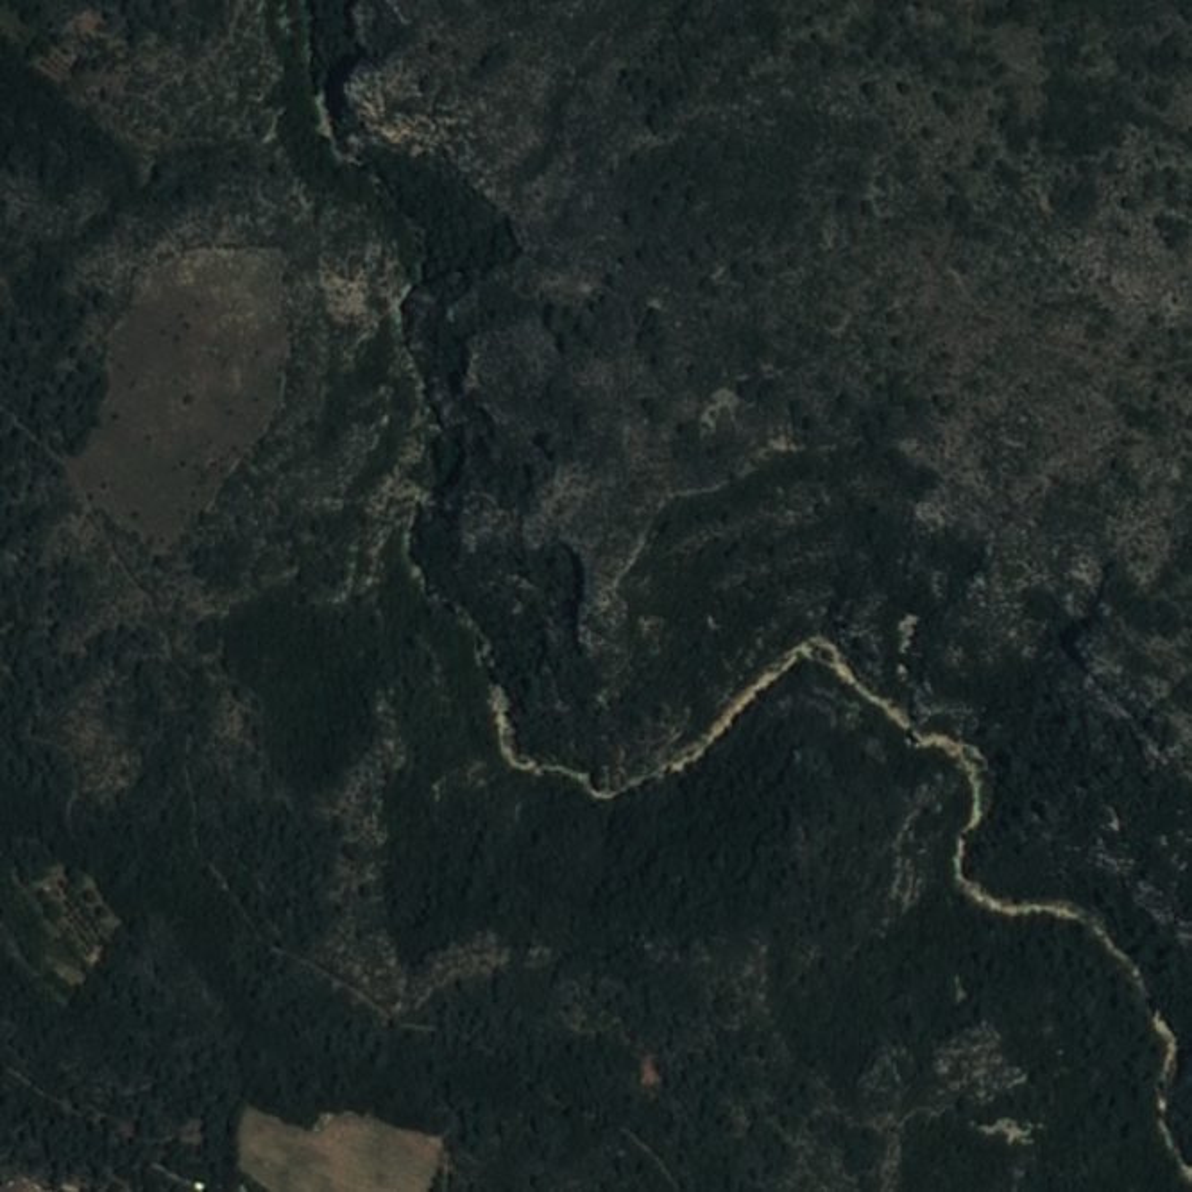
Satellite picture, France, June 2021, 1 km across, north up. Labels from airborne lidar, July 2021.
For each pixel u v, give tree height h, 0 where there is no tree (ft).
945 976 28
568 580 28
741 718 32
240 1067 24
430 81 37
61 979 31
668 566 27
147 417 0
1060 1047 23
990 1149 35
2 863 38
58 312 21
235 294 0
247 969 17
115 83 0
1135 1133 118
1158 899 20
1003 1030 27
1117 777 57
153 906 23
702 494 20
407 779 68
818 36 31
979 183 0
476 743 34
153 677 53
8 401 47
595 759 30
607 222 0
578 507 0
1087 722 51
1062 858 26
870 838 28
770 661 44
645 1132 45
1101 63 0
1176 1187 40
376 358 20
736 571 22
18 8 34
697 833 59
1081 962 57
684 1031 46
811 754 25
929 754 51
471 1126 43
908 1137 35
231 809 42
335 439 48
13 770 39
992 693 38
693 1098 46
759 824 39
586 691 22
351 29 28
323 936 31
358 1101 29
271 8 40
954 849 32
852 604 19
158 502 0
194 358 0
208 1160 45
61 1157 50
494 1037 33
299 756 34
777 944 31
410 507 33
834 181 33
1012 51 0
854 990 33
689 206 20
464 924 35
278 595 25
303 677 40
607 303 33
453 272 43
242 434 0
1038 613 22
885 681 22
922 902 40
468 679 41
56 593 33
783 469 27
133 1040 44
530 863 31
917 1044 43
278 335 0
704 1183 22
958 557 35
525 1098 33
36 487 34
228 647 24
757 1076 20
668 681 26
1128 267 0
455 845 36
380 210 27
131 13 56
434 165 29
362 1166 0
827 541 23
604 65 0
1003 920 36
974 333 0
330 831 17
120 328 0
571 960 30
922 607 47
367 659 30
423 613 35
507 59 39
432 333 25
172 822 35
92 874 49
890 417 55
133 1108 49
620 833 47
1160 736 40
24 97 31
